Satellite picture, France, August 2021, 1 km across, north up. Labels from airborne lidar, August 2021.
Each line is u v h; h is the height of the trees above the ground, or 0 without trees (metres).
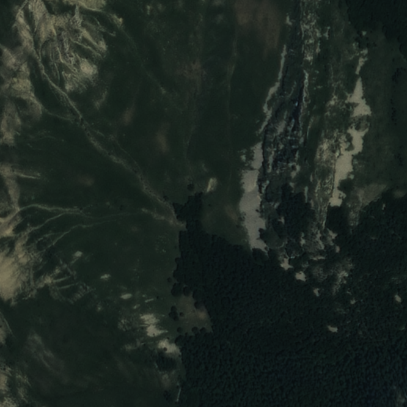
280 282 14
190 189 10
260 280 14
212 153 0
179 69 0
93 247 0
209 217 0
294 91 0
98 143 0
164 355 9
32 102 0
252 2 0
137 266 0
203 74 0
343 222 15
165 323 0
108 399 0
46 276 0
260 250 6
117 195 0
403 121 0
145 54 0
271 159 0
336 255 12
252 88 0
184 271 17
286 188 10
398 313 25
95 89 0
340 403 17
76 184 0
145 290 0
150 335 0
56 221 0
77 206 0
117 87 0
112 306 0
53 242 0
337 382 21
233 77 0
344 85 0
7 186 0
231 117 0
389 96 0
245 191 0
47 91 0
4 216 0
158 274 0
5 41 0
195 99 0
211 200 0
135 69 0
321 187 0
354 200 0
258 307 13
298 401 7
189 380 12
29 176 0
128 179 0
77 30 0
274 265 10
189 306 0
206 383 15
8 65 0
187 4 0
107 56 0
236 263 20
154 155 0
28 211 0
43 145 0
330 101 0
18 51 0
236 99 0
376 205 11
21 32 0
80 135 0
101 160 0
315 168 0
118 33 0
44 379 0
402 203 13
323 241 15
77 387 0
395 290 14
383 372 22
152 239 0
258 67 0
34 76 0
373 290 17
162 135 0
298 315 14
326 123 0
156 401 0
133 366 0
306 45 0
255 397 18
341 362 13
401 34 16
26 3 0
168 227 0
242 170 0
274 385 20
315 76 0
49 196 0
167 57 0
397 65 0
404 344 21
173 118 0
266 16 0
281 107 0
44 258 0
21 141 0
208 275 16
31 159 0
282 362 8
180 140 0
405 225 15
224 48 0
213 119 0
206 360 21
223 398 18
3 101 0
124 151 0
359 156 0
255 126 0
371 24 11
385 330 21
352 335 14
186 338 10
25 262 0
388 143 0
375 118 0
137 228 0
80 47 0
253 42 0
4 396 0
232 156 0
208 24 0
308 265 8
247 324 16
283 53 0
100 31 0
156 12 0
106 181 0
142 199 0
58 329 0
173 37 0
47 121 0
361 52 0
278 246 0
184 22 0
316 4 0
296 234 9
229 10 0
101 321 0
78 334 0
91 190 0
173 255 0
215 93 0
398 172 0
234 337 12
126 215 0
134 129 0
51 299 0
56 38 0
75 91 0
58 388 0
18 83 0
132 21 0
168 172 0
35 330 0
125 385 0
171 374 0
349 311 7
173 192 0
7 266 0
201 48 0
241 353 14
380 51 0
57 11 0
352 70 0
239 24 0
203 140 0
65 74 0
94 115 0
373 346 12
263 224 0
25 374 0
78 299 0
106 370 0
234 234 0
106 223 0
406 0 18
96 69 0
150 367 0
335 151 0
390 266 12
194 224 16
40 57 0
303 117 0
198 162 0
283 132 0
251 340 16
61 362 0
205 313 0
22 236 0
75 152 0
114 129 0
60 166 0
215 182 0
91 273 0
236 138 0
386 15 13
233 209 0
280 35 0
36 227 0
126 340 0
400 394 8
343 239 20
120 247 0
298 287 13
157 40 0
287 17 0
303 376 18
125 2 0
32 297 0
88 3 0
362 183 0
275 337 17
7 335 0
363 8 15
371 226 22
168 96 0
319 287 6
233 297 16
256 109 0
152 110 0
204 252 23
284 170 0
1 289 0
